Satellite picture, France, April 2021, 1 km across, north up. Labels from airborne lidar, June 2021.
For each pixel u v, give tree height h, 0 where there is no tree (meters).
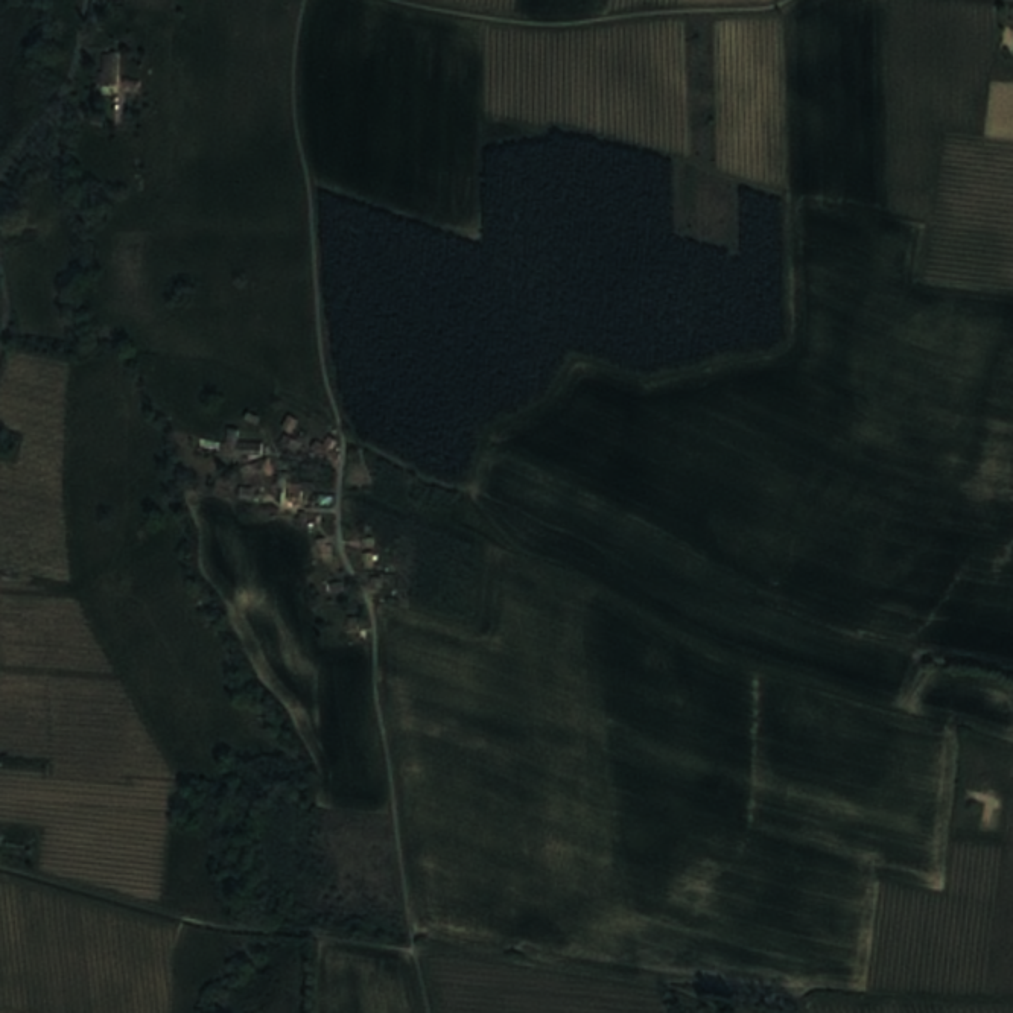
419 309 13
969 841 0
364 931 14
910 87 0
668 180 12
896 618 0
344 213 11
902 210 0
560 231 11
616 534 0
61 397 0
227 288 0
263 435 0
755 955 0
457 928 0
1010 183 0
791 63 0
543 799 0
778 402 0
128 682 0
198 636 0
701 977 0
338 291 12
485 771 0
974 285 0
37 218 0
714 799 0
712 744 0
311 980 11
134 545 0
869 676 0
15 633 0
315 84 0
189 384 0
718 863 0
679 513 0
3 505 0
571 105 0
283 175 0
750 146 0
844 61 0
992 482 0
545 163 12
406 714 0
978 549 0
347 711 0
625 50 0
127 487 0
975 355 0
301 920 6
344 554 0
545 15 0
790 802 0
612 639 0
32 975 0
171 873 0
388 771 0
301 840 11
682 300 10
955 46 0
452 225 0
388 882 0
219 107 0
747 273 11
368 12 0
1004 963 0
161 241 0
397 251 11
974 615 0
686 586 0
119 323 0
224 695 0
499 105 0
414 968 0
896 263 0
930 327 0
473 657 0
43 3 14
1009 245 0
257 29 0
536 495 0
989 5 0
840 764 0
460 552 16
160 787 0
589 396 0
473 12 0
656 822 0
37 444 0
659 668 0
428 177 0
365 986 0
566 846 0
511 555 0
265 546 0
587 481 0
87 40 9
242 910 17
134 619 0
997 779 0
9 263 0
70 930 0
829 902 0
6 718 0
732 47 0
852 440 0
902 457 0
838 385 0
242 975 16
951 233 0
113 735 0
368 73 0
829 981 0
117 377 0
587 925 0
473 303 12
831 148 0
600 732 0
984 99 0
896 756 0
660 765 0
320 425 0
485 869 0
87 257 11
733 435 0
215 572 0
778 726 0
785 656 0
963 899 0
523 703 0
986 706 0
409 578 15
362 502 15
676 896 0
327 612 0
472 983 0
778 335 10
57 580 0
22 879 0
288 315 0
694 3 0
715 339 11
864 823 0
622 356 11
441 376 12
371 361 12
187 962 0
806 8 0
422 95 0
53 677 0
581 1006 0
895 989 0
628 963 0
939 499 0
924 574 0
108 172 0
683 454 0
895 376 0
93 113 16
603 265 12
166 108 0
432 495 8
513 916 0
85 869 0
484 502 0
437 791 0
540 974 0
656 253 12
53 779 0
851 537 0
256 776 11
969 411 0
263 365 0
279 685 0
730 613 0
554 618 0
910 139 0
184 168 0
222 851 15
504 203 9
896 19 0
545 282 7
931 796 0
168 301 11
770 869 0
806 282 0
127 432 0
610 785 0
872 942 0
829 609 0
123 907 0
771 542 0
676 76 0
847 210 0
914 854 0
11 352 10
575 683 0
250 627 0
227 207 0
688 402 0
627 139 0
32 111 0
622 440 0
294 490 0
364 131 0
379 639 0
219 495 0
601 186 13
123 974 0
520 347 11
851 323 0
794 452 0
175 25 0
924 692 0
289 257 0
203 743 0
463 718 0
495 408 12
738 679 0
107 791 0
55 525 0
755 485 0
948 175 0
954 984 0
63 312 17
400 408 10
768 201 8
